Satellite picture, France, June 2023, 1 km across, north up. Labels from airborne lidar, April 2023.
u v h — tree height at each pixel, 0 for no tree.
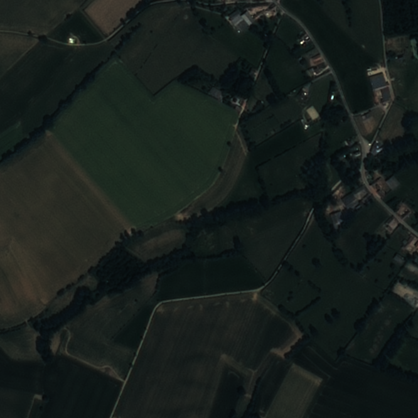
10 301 0
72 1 0
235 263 0
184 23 0
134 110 0
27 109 0
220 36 0
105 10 0
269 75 27
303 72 7
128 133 0
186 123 0
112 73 0
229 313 0
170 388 0
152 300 0
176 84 0
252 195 0
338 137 0
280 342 0
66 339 0
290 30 0
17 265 0
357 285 0
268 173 0
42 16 0
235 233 0
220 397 0
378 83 0
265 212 0
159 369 0
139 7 12
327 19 0
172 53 0
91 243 0
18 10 0
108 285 15
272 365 0
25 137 0
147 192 0
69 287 9
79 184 0
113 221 0
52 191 0
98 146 0
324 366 0
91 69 0
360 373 0
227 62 0
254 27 11
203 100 0
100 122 0
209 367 0
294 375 0
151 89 0
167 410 0
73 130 0
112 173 0
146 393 0
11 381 0
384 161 15
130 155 0
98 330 0
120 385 0
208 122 0
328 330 0
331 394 0
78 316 0
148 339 0
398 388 0
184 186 0
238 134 0
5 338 0
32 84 0
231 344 0
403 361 0
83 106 0
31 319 10
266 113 0
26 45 0
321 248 0
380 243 15
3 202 0
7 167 0
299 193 22
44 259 0
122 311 0
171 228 0
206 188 0
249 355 0
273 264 0
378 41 0
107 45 0
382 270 0
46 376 0
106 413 0
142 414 0
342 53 0
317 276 0
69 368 0
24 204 0
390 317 0
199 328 0
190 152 0
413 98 0
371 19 0
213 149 0
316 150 0
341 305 0
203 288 0
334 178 0
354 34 0
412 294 0
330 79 0
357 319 0
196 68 18
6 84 0
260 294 0
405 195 0
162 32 0
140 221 0
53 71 0
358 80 0
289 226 0
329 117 20
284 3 0
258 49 0
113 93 0
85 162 0
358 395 0
